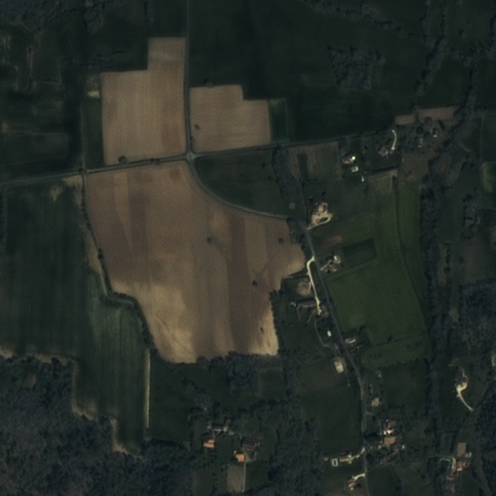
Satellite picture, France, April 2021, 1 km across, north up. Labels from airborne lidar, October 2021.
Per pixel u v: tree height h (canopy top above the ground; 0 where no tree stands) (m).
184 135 0
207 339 0
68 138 0
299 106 0
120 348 0
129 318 0
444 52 7
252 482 0
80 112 0
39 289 0
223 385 0
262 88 0
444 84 0
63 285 0
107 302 0
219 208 0
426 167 0
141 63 0
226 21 0
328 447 0
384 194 0
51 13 7
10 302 0
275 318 10
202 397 25
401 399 0
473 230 11
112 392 0
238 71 0
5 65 0
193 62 0
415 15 0
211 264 0
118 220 0
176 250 0
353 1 0
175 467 22
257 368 22
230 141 0
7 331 0
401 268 0
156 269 0
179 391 0
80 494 15
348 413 0
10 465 21
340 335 16
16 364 16
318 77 0
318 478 27
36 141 0
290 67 0
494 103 0
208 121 0
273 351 0
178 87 0
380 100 0
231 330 0
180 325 0
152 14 12
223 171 0
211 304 0
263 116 0
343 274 0
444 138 0
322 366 0
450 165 0
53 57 0
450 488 14
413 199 0
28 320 0
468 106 16
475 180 0
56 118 0
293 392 12
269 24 0
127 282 0
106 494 21
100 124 0
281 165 19
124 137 0
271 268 0
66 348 0
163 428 0
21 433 18
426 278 0
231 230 0
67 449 11
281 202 0
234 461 7
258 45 0
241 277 0
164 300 0
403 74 0
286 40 0
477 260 0
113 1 13
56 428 16
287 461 20
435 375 27
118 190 0
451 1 0
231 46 0
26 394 17
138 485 25
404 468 0
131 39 0
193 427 13
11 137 0
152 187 0
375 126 0
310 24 0
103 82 0
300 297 0
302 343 0
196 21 0
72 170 0
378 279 0
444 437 14
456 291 0
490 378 8
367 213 0
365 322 0
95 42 0
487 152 0
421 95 13
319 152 0
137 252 0
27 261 0
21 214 0
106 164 0
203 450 7
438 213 8
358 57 22
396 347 0
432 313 16
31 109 0
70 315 0
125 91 0
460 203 0
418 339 0
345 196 0
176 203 0
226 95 0
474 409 9
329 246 0
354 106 0
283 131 0
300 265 0
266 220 0
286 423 21
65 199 0
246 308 0
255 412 17
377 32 0
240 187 0
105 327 0
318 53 0
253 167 0
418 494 0
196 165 0
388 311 0
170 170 0
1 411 20
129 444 0
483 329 11
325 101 0
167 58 0
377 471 0
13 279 0
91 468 20
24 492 15
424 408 0
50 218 0
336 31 0
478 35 0
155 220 0
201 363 13
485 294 18
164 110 0
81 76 0
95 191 0
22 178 0
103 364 0
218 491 10
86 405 0
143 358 0
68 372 10
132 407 0
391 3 0
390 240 0
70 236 0
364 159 6
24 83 0
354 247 0
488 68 0
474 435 0
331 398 0
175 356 0
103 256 7
